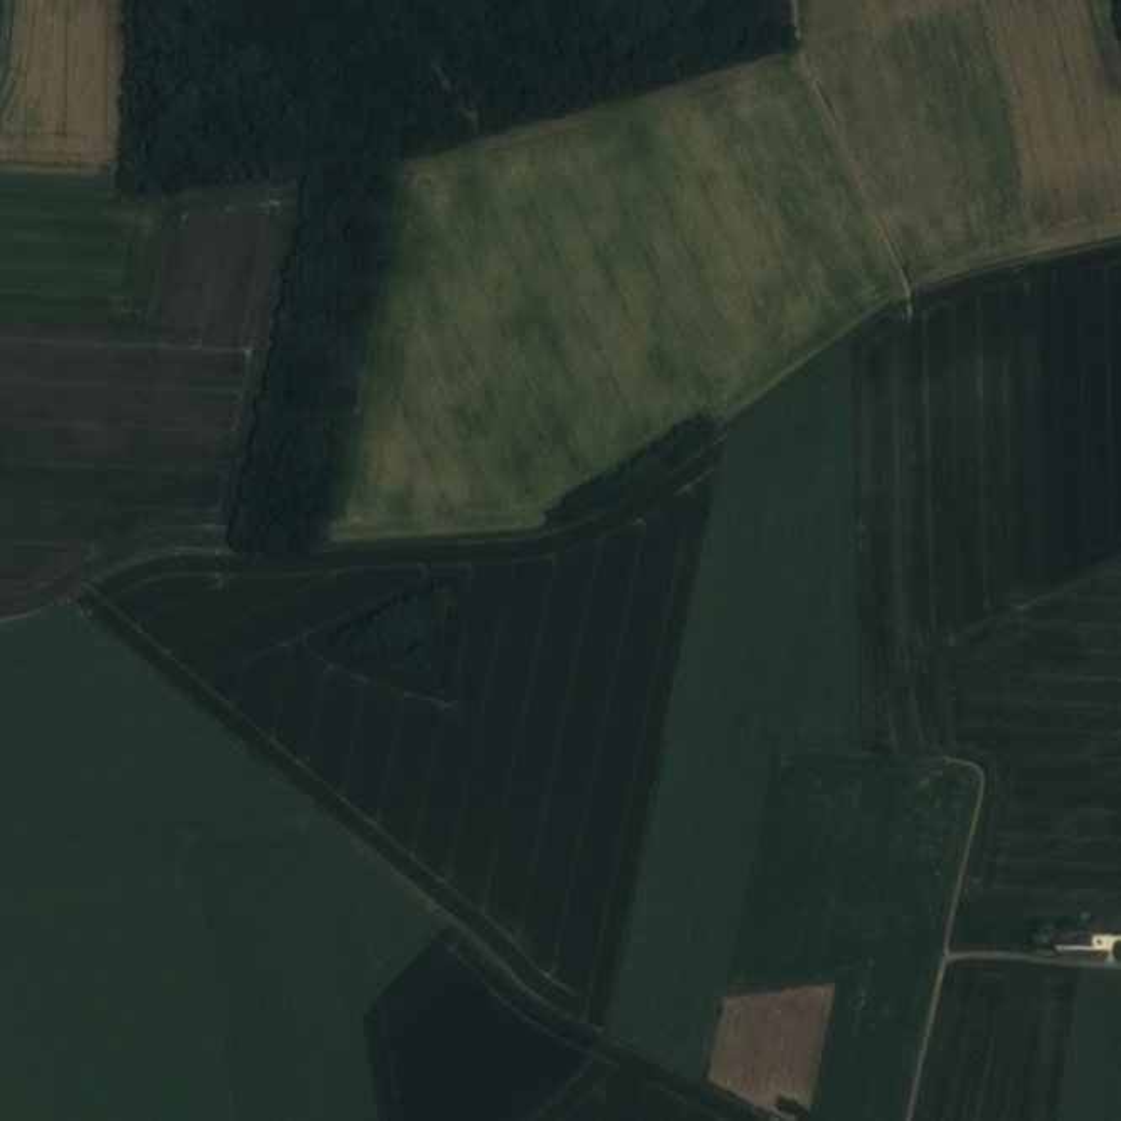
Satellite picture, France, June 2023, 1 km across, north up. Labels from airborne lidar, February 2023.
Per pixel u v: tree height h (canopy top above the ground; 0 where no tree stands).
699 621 0
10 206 0
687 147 0
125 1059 0
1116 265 0
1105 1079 0
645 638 0
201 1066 0
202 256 0
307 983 0
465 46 22
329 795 0
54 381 0
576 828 0
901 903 0
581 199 0
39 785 0
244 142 15
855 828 0
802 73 0
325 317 15
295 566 0
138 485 0
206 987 0
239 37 30
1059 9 0
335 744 0
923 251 0
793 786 0
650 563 0
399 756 0
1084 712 0
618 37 24
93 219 0
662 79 18
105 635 0
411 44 22
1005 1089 0
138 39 18
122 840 0
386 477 0
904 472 0
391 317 0
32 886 0
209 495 0
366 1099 0
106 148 0
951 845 0
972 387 0
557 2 18
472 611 0
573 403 0
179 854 0
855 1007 0
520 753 0
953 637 0
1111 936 0
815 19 0
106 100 0
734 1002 0
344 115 26
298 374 24
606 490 22
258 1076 0
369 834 0
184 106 22
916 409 0
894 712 0
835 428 0
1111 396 0
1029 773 0
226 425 0
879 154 0
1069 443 0
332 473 19
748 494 0
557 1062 0
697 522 0
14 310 0
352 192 22
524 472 0
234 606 0
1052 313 0
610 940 0
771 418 0
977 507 0
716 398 0
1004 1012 0
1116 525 0
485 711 0
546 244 0
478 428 0
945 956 0
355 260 20
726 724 0
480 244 0
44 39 0
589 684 0
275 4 31
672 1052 0
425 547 0
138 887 0
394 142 24
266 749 0
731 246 0
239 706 0
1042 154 0
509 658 0
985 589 0
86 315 0
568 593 0
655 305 0
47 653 0
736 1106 0
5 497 0
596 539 0
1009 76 0
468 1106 0
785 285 0
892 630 0
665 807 0
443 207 0
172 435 0
